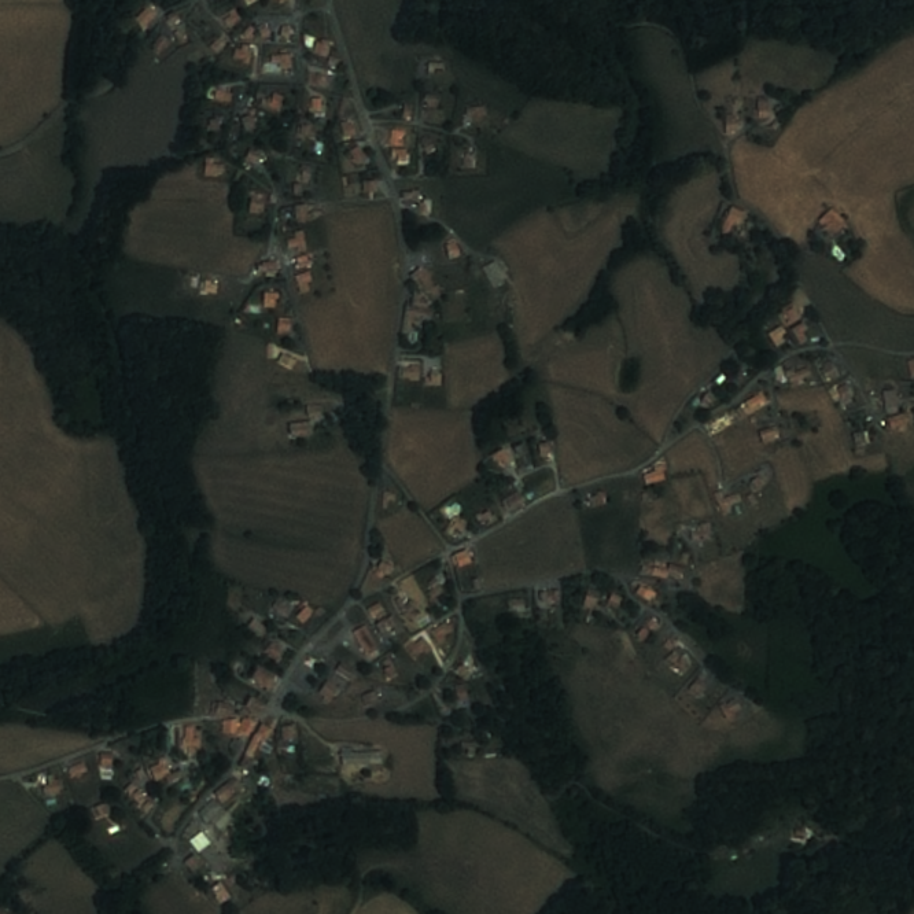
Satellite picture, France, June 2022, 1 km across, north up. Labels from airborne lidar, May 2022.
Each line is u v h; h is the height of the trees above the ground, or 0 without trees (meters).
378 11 0
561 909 27
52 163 0
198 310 0
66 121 10
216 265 0
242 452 0
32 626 0
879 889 19
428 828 0
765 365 15
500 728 17
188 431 16
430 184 0
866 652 24
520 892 0
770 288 11
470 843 0
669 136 0
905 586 21
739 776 17
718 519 0
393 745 0
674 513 0
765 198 0
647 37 0
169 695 0
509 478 6
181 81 0
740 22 23
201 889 15
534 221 0
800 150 0
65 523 0
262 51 0
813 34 23
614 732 0
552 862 0
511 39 18
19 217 0
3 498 0
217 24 0
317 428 7
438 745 7
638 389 0
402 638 0
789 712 0
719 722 0
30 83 0
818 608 24
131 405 27
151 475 20
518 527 0
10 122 0
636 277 0
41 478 0
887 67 0
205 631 0
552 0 21
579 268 0
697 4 20
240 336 0
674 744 0
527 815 0
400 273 0
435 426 0
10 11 0
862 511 21
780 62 0
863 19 29
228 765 9
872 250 0
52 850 0
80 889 0
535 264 0
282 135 7
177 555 13
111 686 8
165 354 20
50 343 27
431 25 20
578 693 0
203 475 0
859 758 17
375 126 0
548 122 0
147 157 0
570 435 0
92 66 19
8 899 7
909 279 0
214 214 0
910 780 19
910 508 12
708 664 13
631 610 8
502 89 0
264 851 19
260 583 0
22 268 23
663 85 0
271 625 10
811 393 0
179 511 17
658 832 12
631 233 17
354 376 22
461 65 0
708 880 19
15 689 20
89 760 0
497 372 0
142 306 0
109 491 0
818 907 22
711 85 0
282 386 0
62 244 19
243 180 7
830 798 18
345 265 0
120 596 0
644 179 16
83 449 0
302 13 0
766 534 12
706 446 0
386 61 0
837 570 0
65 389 19
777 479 0
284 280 6
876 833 25
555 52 26
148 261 0
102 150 0
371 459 18
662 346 0
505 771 0
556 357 0
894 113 0
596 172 0
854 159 0
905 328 0
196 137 15
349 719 0
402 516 0
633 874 15
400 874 0
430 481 0
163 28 0
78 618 0
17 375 0
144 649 23
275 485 0
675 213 0
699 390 0
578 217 0
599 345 0
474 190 0
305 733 0
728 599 0
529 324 0
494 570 0
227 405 0
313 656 0
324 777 0
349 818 29
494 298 0
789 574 20
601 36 24
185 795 6
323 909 0
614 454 0
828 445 0
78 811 19
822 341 9
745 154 0
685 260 0
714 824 23
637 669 0
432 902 0
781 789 18
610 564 0
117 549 0
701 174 14
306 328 0
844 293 0
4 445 0
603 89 25
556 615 0
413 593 0
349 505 0
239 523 0
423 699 0
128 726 7
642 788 0
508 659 15
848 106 0
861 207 0
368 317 0
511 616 8
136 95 0
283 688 0
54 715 11
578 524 0
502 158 0
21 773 0
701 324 8
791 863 28
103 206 13
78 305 18
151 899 0
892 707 15
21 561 0
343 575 0
